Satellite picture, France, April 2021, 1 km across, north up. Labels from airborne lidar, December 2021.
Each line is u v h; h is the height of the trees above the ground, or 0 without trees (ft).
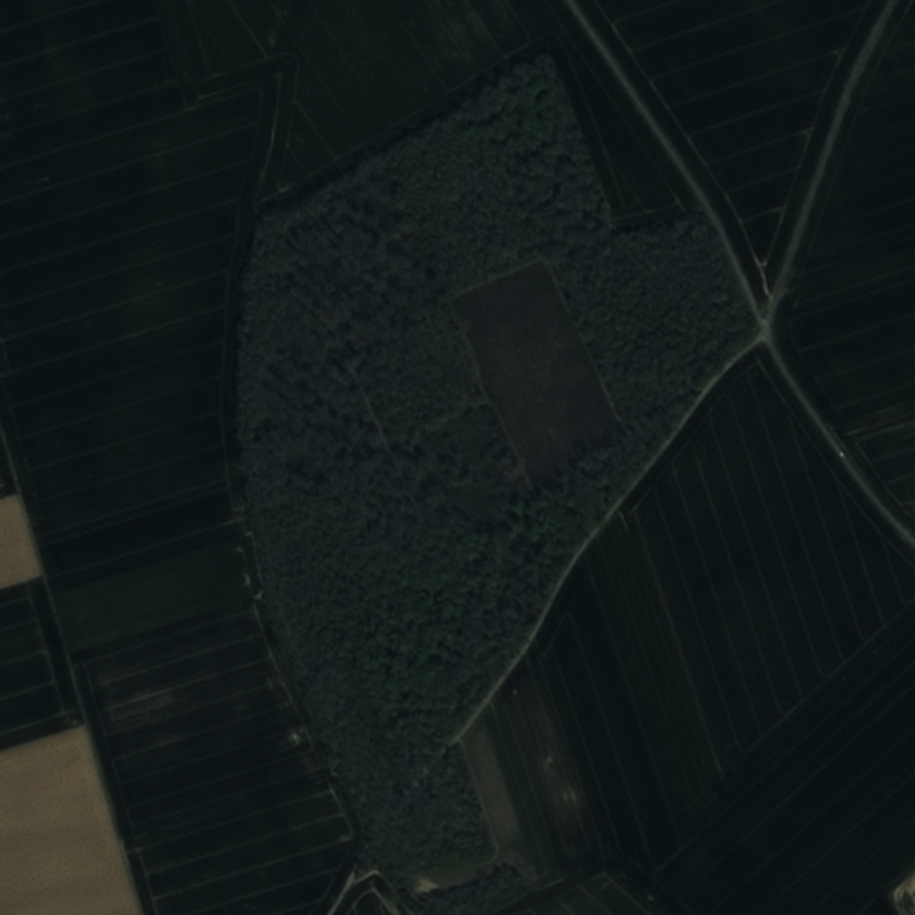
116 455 0
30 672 0
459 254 45
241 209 0
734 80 0
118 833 0
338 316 99
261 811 0
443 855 49
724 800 0
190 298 0
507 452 31
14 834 0
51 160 0
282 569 39
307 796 0
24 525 0
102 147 0
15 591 0
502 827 0
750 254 0
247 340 36
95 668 0
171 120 0
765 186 0
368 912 0
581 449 0
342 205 85
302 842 0
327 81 0
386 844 68
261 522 44
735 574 0
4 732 0
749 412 0
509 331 0
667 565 0
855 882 0
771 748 0
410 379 51
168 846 0
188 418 0
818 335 0
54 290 0
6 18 0
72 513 0
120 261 0
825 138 0
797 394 0
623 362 35
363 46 0
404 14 0
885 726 0
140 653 0
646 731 0
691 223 41
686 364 47
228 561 0
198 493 0
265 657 0
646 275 48
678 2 0
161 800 0
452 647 43
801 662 0
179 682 0
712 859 0
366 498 74
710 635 0
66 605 0
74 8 0
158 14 0
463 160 64
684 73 0
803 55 0
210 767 0
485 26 0
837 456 0
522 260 57
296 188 0
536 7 0
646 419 50
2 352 0
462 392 56
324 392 88
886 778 0
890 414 0
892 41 0
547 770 0
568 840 0
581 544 56
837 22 0
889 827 0
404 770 76
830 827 0
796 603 0
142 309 0
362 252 85
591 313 41
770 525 0
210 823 0
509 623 79
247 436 56
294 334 78
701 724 0
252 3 0
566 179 69
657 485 0
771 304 0
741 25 0
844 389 0
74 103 0
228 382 0
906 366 0
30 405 0
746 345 48
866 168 0
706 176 0
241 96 0
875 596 0
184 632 0
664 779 0
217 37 0
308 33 0
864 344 0
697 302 46
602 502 67
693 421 0
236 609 0
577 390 0
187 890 0
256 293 63
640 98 0
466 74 0
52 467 0
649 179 0
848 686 0
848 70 0
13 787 0
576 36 0
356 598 45
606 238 24
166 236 0
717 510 0
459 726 65
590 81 0
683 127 0
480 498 0
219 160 0
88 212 0
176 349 0
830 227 0
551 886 0
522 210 60
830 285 0
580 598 0
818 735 0
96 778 0
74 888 0
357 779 37
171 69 0
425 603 62
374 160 59
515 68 51
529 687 0
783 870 0
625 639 0
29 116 0
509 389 0
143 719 0
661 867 0
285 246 63
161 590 0
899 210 0
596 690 0
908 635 0
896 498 0
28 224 0
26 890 0
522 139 74
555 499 76
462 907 51
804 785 0
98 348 0
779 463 0
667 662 0
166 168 0
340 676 51
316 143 0
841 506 0
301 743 0
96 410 0
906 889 0
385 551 74
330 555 40
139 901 0
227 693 0
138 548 0
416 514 72
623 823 0
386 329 82
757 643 0
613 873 0
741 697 0
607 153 0
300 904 0
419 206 46
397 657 77
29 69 0
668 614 0
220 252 0
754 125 0
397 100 0
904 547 0
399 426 48
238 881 0
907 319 0
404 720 55
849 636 0
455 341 54
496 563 84
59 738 0
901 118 0
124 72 0
